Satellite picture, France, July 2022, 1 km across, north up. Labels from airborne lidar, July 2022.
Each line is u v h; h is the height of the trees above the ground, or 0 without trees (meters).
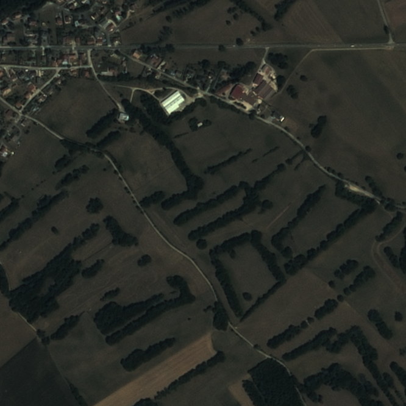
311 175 0
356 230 0
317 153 0
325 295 0
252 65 16
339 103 0
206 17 0
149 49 13
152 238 0
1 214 6
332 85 0
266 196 0
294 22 0
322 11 0
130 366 16
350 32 0
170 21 18
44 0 12
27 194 0
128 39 0
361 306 0
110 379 0
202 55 0
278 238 13
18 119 0
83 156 0
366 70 0
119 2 0
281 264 0
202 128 7
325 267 0
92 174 0
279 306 0
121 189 0
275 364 8
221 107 10
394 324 0
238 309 16
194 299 15
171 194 0
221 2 0
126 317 15
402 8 0
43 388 0
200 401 0
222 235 0
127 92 0
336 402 0
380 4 0
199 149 0
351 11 0
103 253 0
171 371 0
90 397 0
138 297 0
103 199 0
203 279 0
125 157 0
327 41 0
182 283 16
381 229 0
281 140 0
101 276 0
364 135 0
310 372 0
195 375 16
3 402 0
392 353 0
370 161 0
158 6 0
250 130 0
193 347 0
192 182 17
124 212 0
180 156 19
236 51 0
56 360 0
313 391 17
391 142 0
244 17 0
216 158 0
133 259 0
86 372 0
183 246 0
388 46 0
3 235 0
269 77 0
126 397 0
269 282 0
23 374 0
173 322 0
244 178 0
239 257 0
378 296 0
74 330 0
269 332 0
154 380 0
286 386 8
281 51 0
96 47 0
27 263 0
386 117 0
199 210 14
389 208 16
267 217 0
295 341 0
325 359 0
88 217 0
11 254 0
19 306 14
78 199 0
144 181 0
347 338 21
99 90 0
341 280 14
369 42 0
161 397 16
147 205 17
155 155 0
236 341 0
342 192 9
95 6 0
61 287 8
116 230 16
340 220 0
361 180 0
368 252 0
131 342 0
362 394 17
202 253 0
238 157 9
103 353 0
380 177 0
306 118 0
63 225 0
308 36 0
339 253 0
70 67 8
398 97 0
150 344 0
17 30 0
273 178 6
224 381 0
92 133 20
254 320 0
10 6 16
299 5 0
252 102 0
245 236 16
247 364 0
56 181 0
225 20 0
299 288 0
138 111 18
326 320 0
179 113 8
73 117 0
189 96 0
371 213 14
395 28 0
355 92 0
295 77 0
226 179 0
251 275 0
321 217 0
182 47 0
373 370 16
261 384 15
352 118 0
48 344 16
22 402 0
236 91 0
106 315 16
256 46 0
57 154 0
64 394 0
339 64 0
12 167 0
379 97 0
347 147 0
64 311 0
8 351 0
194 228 0
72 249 16
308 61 0
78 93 0
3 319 0
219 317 14
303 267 10
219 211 0
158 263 0
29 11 13
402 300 0
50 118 0
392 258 14
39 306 9
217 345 0
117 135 17
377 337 0
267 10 0
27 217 0
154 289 0
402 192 0
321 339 20
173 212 0
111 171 0
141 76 12
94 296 0
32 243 0
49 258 0
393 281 0
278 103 0
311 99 0
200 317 0
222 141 0
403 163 0
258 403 16
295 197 0
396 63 0
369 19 0
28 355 0
